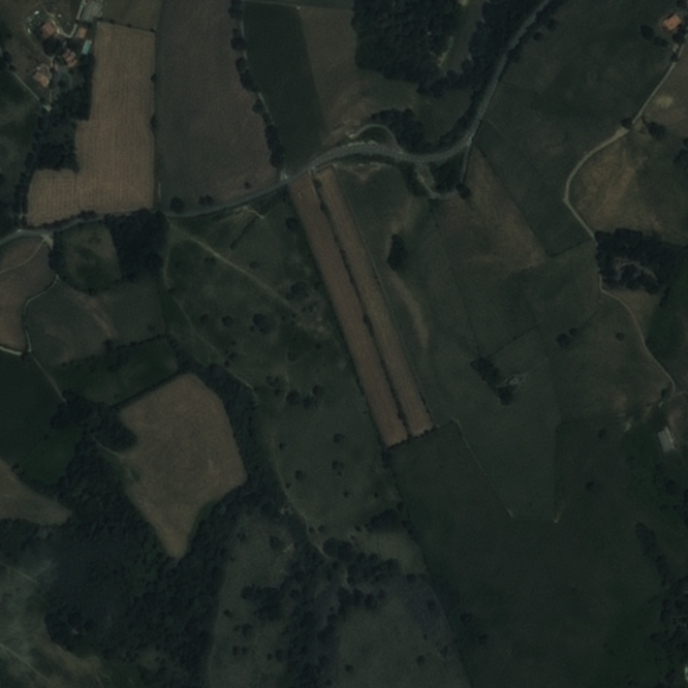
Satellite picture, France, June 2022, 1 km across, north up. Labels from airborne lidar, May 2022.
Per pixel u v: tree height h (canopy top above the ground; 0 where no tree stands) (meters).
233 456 0
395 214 0
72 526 11
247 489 11
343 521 0
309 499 0
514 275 0
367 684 0
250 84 21
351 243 0
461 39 0
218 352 0
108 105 0
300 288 11
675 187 0
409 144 14
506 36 8
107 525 13
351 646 0
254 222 0
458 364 0
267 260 0
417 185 13
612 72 0
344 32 0
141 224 15
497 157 0
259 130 0
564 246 0
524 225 0
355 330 0
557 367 0
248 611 0
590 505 0
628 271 16
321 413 0
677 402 0
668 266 13
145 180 0
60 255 15
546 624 0
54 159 22
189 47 0
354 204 0
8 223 9
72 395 12
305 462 0
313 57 0
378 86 0
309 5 0
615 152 0
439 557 0
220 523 9
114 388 0
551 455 0
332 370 0
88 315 0
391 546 0
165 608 14
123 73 0
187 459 0
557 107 0
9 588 0
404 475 0
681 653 6
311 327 0
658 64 0
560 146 0
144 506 0
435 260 0
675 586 10
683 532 0
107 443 8
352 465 0
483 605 0
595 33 0
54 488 10
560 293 0
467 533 0
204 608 25
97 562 6
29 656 0
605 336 0
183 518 0
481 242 0
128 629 6
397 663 0
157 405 0
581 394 0
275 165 14
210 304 0
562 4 10
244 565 0
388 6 18
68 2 0
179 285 0
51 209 0
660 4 0
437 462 0
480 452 0
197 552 14
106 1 0
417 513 0
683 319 0
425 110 0
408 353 0
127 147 0
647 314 0
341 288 0
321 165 0
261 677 0
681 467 0
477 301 0
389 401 0
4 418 0
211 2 0
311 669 20
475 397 0
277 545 13
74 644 13
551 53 0
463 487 0
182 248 0
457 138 8
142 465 0
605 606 0
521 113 0
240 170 0
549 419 0
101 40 0
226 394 9
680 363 0
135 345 11
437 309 0
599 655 0
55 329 0
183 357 9
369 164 0
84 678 0
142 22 0
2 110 0
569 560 0
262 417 0
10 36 7
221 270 0
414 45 15
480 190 0
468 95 0
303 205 0
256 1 0
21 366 0
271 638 0
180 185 0
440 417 0
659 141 7
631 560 0
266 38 0
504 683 0
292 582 15
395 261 14
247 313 0
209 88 0
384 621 0
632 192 0
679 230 0
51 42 13
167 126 0
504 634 0
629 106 0
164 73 0
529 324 0
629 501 0
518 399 0
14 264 0
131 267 19
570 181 0
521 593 0
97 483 23
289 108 0
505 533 0
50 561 0
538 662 0
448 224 0
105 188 0
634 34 0
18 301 0
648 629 0
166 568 12
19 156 0
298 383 0
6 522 8
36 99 0
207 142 0
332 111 0
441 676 0
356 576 11
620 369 0
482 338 0
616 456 0
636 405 0
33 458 0
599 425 0
